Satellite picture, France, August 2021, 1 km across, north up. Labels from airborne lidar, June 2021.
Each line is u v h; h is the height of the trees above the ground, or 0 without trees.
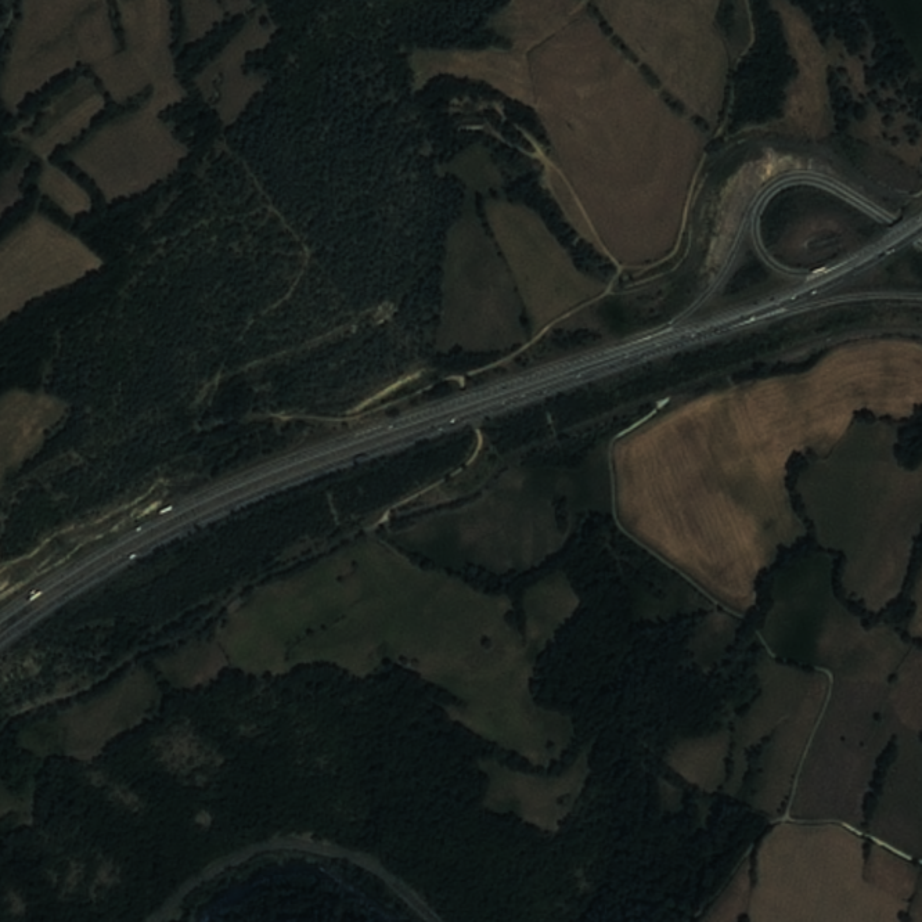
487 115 10
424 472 9
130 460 9
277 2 12
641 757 10
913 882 0
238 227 9
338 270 9
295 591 0
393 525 9
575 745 10
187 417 8
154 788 15
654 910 18
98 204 14
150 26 0
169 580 8
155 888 11
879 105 9
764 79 8
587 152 0
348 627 0
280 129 13
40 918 20
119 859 11
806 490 0
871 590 0
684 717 12
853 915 0
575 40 0
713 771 0
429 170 13
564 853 14
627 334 0
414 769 14
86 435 9
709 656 0
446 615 0
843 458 0
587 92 0
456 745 21
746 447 0
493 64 0
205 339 7
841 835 0
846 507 0
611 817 14
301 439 0
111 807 10
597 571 12
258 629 0
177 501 0
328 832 13
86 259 0
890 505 0
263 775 16
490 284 0
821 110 0
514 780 0
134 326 7
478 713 0
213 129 10
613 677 8
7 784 8
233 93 0
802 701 0
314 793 12
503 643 0
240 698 10
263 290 7
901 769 0
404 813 17
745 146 0
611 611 18
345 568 0
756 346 7
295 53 13
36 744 0
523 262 0
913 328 0
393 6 9
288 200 14
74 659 11
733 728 7
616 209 0
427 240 9
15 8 10
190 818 15
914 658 0
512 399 0
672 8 0
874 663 0
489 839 16
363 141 13
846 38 8
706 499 0
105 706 0
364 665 0
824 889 0
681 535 0
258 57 11
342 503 7
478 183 0
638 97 0
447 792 10
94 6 0
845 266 0
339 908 30
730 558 0
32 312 11
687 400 0
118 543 0
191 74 9
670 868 18
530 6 0
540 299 0
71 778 19
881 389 0
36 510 8
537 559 0
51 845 6
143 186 0
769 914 0
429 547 0
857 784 0
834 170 0
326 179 10
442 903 9
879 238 0
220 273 7
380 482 10
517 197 10
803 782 0
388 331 7
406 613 0
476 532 0
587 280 0
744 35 0
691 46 0
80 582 0
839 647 0
